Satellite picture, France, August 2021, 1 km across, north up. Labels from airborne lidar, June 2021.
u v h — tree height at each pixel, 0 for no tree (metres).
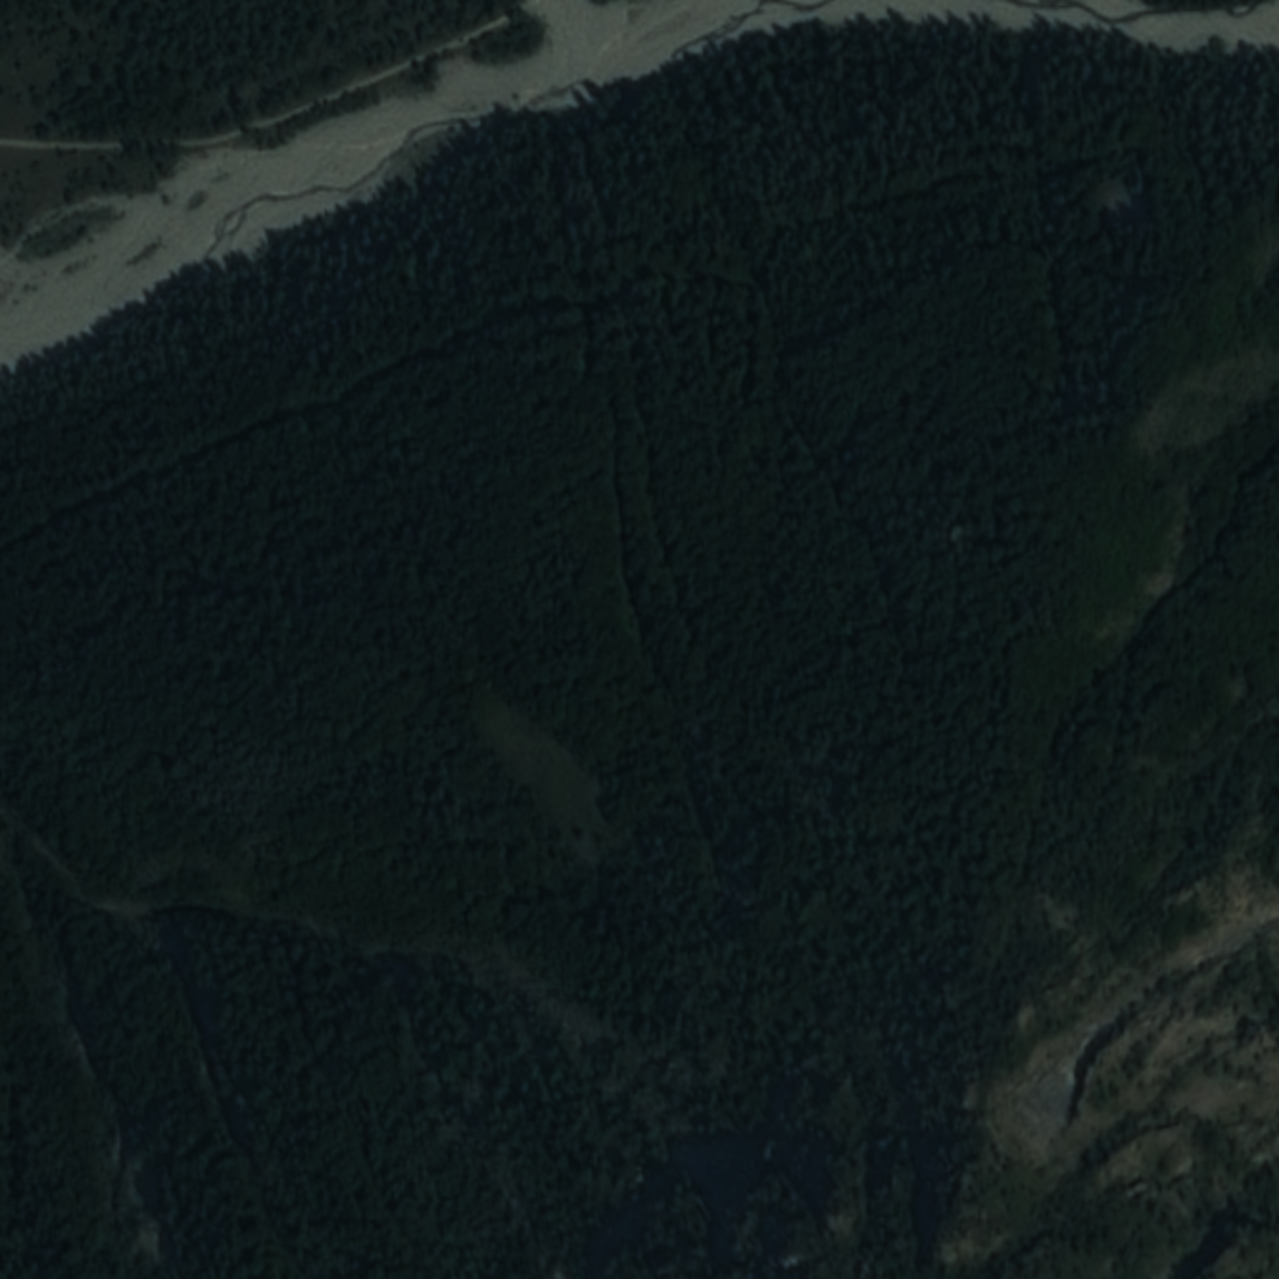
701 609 20
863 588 16
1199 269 20
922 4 0
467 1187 6
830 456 15
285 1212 8
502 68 0
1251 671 16
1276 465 21
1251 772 8
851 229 13
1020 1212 0
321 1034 12
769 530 19
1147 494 12
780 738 10
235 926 17
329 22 18
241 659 24
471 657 11
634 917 11
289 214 0
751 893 7
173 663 18
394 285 18
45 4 8
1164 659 14
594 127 14
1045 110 30
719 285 10
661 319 26
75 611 15
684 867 7
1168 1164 8
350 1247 8
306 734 19
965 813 9
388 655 25
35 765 16
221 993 13
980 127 14
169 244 0
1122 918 6
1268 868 7
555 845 11
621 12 0
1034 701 9
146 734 16
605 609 22
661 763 13
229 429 13
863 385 22
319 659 23
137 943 17
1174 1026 0
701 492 19
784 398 22
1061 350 14
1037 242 15
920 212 8
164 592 11
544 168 20
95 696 19
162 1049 18
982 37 14
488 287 14
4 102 0
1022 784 18
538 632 11
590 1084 7
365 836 11
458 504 27
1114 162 9
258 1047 17
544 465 25
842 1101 7
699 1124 9
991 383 22
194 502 14
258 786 18
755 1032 14
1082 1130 0
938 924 7
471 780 19
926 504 15
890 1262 6
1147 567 10
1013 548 21
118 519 16
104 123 15
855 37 12
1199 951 0
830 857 8
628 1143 7
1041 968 6
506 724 0
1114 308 18
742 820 10
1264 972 8
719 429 17
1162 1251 0
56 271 0
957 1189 6
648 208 26
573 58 0
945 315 20
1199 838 17
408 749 20
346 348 21
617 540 26
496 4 23
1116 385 19
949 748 6
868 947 10
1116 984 11
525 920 16
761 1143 6
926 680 12
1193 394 7
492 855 22
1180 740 10
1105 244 28
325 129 0
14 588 18
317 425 14
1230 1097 0
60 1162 10
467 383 20
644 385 17
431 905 16
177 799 18
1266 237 8
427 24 10
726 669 16
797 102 24
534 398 20
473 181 14
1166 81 10
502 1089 12
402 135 0
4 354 0
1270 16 0
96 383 17
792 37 18
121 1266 9
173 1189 9
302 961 9
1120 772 6
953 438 12
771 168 18
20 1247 11
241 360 19
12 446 22
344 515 23
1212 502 26
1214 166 15
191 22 15
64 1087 9
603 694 21
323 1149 14
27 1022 6
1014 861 7
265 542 12
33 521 14
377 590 28
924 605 14
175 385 16
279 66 21
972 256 20
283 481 15
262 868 13
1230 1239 8
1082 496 17
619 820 13
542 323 18
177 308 18
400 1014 10
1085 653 12
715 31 0
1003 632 14
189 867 7
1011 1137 0
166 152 11
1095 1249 6
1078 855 7
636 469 23
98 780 11
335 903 14
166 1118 17
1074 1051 0
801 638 17
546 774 0
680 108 23
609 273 16
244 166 0
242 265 28
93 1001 10
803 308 8
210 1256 9
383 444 17
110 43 7
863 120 15
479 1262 7
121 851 16
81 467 19
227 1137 11
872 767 12
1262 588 20
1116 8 0
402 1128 12
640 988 6
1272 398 8
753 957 9
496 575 23
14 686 14
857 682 14
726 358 20
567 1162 9
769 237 8
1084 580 12
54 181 0
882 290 19
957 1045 6
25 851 7
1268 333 13
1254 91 15
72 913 20
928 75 13
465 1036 6
